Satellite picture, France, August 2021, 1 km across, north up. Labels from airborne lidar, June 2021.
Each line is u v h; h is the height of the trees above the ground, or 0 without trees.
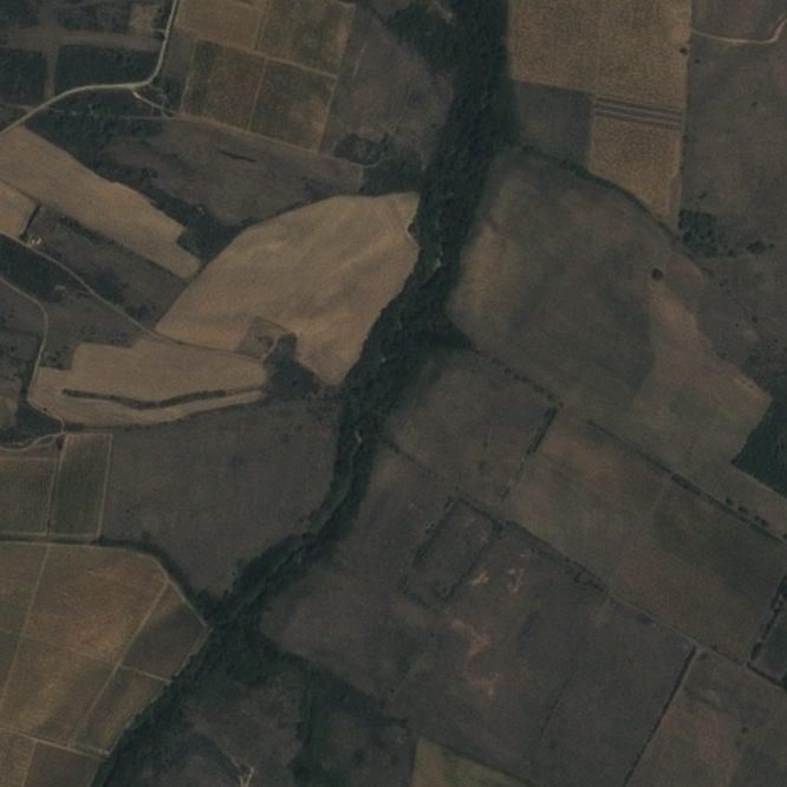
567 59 0
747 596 0
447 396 0
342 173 0
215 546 0
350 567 0
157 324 0
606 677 0
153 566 0
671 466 0
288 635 0
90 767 0
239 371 0
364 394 13
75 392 0
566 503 0
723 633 0
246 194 0
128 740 6
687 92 0
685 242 10
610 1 0
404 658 0
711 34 0
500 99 6
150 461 0
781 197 0
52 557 0
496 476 0
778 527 0
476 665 0
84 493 0
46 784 0
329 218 0
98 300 0
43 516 0
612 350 0
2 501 0
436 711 0
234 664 8
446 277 14
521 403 0
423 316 15
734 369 0
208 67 0
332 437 0
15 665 0
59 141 0
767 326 0
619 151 0
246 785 0
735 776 0
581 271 0
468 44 8
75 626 0
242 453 0
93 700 0
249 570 6
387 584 0
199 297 0
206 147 0
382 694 0
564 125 0
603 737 0
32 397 0
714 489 0
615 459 0
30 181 0
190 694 6
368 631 0
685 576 0
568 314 0
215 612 8
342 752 0
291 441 0
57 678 0
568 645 0
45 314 0
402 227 0
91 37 0
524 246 0
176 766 0
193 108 0
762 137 0
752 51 0
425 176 8
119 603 0
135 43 0
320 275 0
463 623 0
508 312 0
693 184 0
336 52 0
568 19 0
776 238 0
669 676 0
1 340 0
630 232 0
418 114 0
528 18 0
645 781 0
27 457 0
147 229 0
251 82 0
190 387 0
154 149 0
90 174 0
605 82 0
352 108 0
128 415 0
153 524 0
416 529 0
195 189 0
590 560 0
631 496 0
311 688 7
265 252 0
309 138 0
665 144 0
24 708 0
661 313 0
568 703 0
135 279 0
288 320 0
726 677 0
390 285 0
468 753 0
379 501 0
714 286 0
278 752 0
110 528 0
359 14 0
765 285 0
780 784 0
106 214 0
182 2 0
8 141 0
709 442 0
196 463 0
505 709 0
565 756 0
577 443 0
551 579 0
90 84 0
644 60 0
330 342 0
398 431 0
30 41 0
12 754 0
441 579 0
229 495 0
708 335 0
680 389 0
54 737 0
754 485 0
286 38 0
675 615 0
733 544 0
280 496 0
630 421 0
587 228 0
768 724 0
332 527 6
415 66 0
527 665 0
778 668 0
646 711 0
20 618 0
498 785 0
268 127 0
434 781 0
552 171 0
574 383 0
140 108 0
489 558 0
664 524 0
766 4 0
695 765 0
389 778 0
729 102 0
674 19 0
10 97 0
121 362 0
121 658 0
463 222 9
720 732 0
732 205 0
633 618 0
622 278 0
